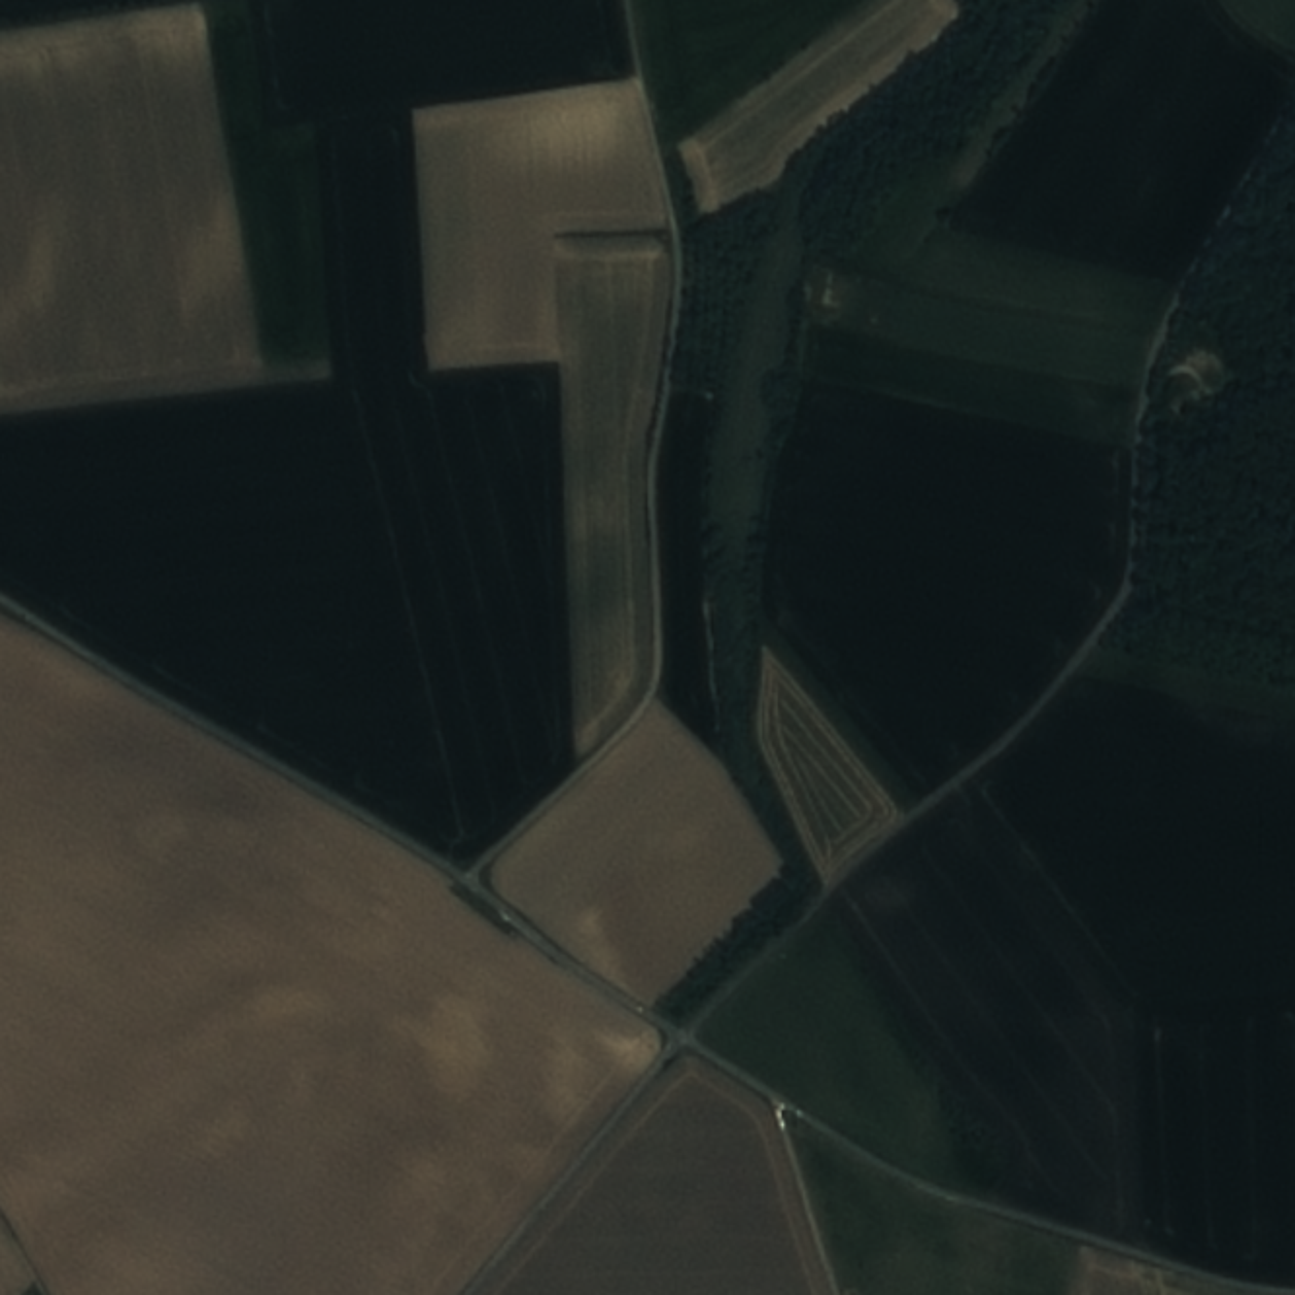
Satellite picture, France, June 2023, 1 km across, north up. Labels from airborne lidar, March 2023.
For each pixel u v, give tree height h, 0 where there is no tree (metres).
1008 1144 0
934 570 0
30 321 0
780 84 0
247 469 0
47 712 0
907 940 0
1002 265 0
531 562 0
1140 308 0
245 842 0
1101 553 0
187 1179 0
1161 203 0
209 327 0
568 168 0
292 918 0
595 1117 0
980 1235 0
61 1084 0
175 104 0
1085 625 0
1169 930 0
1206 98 0
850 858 0
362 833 0
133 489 0
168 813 0
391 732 0
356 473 0
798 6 0
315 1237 0
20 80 0
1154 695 0
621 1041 0
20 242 0
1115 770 0
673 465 0
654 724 0
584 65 0
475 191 0
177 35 0
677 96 0
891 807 0
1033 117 0
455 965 0
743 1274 0
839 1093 0
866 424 0
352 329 0
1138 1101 0
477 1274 0
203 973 0
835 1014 0
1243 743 0
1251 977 0
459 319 0
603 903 0
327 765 0
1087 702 0
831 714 0
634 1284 0
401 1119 0
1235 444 17
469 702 0
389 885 0
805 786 0
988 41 11
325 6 0
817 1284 0
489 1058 0
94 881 0
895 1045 0
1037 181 0
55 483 0
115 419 0
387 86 0
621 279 0
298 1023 0
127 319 0
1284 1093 0
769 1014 0
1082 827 0
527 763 0
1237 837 0
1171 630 19
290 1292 0
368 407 0
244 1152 0
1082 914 0
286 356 0
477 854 0
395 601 0
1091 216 0
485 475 0
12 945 0
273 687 0
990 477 0
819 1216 0
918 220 0
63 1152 0
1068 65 0
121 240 0
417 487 0
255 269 0
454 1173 0
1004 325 0
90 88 0
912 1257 0
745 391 0
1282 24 0
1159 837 0
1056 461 0
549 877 0
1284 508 24
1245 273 16
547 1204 0
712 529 7
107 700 0
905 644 0
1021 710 0
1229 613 21
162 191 0
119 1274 0
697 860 0
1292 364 20
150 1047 0
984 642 0
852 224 14
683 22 0
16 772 0
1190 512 20
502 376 0
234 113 0
